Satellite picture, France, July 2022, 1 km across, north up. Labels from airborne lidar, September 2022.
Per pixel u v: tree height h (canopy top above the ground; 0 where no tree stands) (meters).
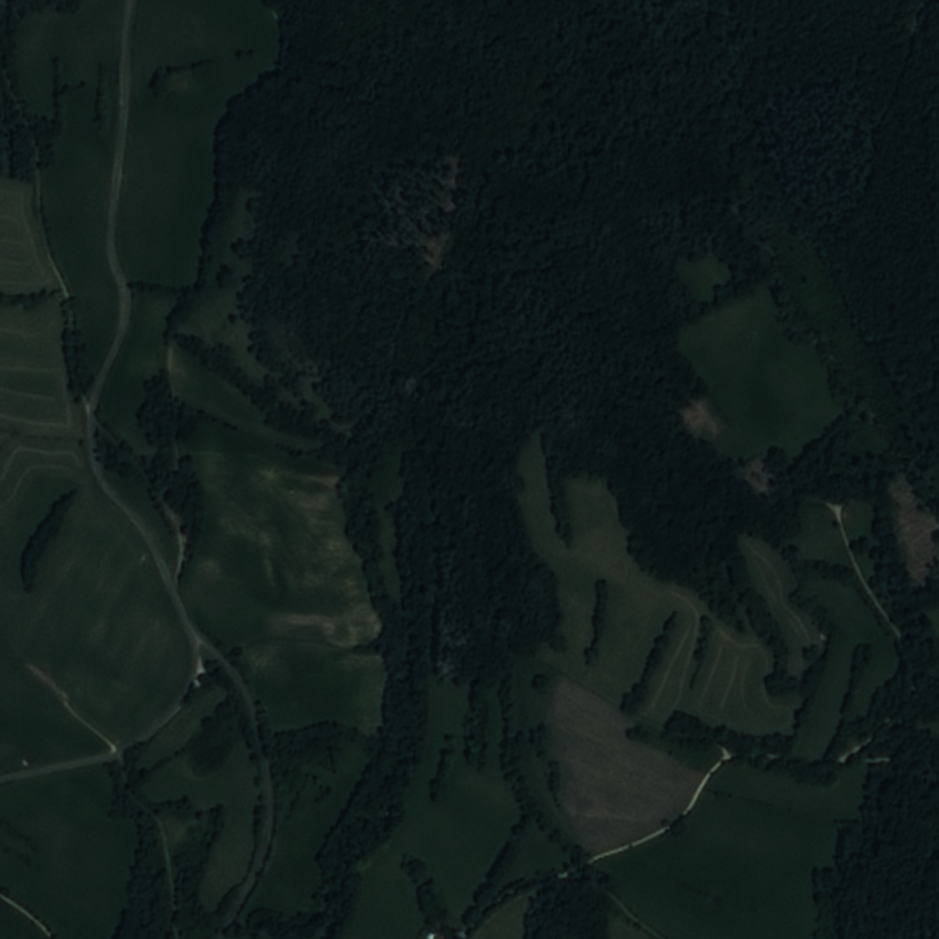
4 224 0
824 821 0
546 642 9
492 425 17
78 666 0
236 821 0
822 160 35
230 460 0
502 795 0
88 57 0
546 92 19
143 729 0
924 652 24
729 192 16
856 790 0
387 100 16
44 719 0
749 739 17
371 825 21
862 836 10
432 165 23
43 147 11
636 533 12
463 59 31
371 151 13
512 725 14
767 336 0
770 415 0
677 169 10
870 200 19
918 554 0
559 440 14
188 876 11
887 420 7
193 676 0
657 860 0
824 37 20
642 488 15
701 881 0
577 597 0
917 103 16
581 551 0
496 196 15
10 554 0
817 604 6
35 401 0
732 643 0
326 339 6
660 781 0
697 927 0
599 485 11
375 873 0
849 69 22
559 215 17
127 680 0
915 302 19
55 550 0
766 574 0
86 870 0
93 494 0
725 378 0
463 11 19
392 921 0
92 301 0
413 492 16
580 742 0
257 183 8
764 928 0
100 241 0
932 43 19
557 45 21
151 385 8
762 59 19
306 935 18
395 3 15
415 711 20
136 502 0
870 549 10
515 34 25
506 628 18
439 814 0
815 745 0
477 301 11
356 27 11
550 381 13
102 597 0
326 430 11
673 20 19
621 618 0
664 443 21
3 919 0
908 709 17
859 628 0
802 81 18
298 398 11
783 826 0
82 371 18
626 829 0
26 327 0
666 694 0
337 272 13
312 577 0
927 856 17
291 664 0
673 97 14
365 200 17
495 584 17
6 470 0
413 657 12
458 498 13
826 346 20
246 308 10
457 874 0
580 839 0
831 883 14
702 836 0
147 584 0
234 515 0
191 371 0
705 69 17
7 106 6
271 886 0
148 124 0
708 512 10
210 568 0
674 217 17
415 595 19
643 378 13
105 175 0
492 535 15
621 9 21
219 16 0
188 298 18
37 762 0
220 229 21
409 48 19
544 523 0
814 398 0
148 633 0
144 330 0
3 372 0
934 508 20
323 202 12
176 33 0
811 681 16
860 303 18
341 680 0
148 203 0
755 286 20
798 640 0
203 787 0
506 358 15
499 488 16
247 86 0
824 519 0
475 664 20
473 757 16
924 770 26
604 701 0
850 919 21
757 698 0
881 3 17
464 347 9
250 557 0
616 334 15
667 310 17
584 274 16
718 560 8
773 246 6
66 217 0
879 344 17
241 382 10
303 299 11
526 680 0
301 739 7
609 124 23
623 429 18
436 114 18
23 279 0
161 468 16
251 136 17
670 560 17
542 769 0
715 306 12
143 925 17
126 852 0
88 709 0
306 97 25
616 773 0
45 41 0
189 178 0
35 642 0
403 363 12
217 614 0
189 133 0
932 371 20
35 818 0
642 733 15
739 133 18
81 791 0
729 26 21
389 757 22
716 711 0
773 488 15
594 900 12
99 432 7
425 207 32
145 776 15
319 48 16
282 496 0
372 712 0
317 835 0
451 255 8
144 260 0
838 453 24
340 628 0
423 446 19
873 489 19
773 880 0
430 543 18
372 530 21
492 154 21
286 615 0
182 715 0
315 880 0
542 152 7
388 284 16
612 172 15
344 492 14
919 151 13
